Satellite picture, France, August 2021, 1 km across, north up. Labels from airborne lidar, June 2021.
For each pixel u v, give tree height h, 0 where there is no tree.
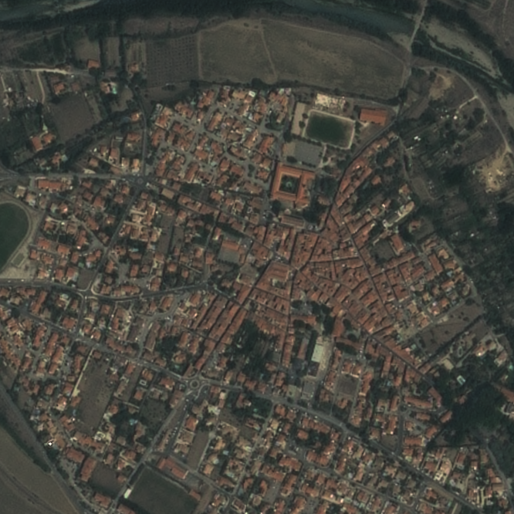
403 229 14
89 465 0
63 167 10
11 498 0
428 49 17
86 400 0
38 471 0
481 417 43
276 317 0
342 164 9
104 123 8
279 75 0
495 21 0
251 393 12
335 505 6
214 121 0
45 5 0
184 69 0
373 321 0
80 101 0
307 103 7
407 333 0
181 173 0
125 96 0
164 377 11
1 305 0
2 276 0
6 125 0
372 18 0
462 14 17
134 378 0
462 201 0
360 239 0
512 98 0
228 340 0
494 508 6
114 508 0
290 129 8
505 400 32
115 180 0
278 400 0
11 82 0
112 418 8
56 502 0
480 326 0
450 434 10
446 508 0
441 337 0
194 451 0
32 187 0
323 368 0
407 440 0
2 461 0
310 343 8
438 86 0
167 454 0
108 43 0
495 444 18
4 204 0
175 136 8
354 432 12
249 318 0
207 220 17
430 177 0
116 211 11
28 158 0
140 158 11
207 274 0
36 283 0
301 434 0
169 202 14
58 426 0
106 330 7
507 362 6
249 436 0
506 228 17
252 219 0
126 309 0
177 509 0
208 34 0
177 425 0
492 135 0
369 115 0
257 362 5
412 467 0
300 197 0
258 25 0
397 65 0
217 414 0
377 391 11
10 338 0
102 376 0
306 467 0
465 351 7
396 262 0
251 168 7
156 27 0
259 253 0
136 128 0
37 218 0
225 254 0
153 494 0
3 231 0
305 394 0
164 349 6
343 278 0
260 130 0
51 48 11
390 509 0
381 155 7
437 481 0
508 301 0
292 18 0
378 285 0
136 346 10
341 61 0
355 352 10
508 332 10
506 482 0
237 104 0
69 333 0
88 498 0
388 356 0
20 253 0
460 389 8
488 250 0
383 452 8
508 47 0
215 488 0
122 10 16
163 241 0
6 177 0
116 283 0
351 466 0
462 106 0
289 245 0
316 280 0
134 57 0
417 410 0
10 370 0
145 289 0
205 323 0
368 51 0
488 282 5
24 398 0
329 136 0
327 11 0
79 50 0
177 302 0
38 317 0
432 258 0
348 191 0
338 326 0
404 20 0
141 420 10
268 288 0
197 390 0
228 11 12
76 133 0
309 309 0
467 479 0
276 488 0
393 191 6
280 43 0
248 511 6
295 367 0
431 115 9
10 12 0
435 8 16
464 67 13
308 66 0
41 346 0
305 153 0
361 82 0
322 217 0
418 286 0
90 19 10
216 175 0
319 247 0
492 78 0
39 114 14
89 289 0
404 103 6
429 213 9
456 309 0
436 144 0
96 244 0
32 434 0
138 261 6
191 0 20
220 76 0
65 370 0
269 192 8
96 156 0
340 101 0
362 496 0
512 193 0
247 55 0
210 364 0
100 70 8
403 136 8
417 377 0
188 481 0
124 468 6
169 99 0
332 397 0
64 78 7
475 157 0
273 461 14
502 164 0
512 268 8
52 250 0
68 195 9
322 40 0
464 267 8
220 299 0
